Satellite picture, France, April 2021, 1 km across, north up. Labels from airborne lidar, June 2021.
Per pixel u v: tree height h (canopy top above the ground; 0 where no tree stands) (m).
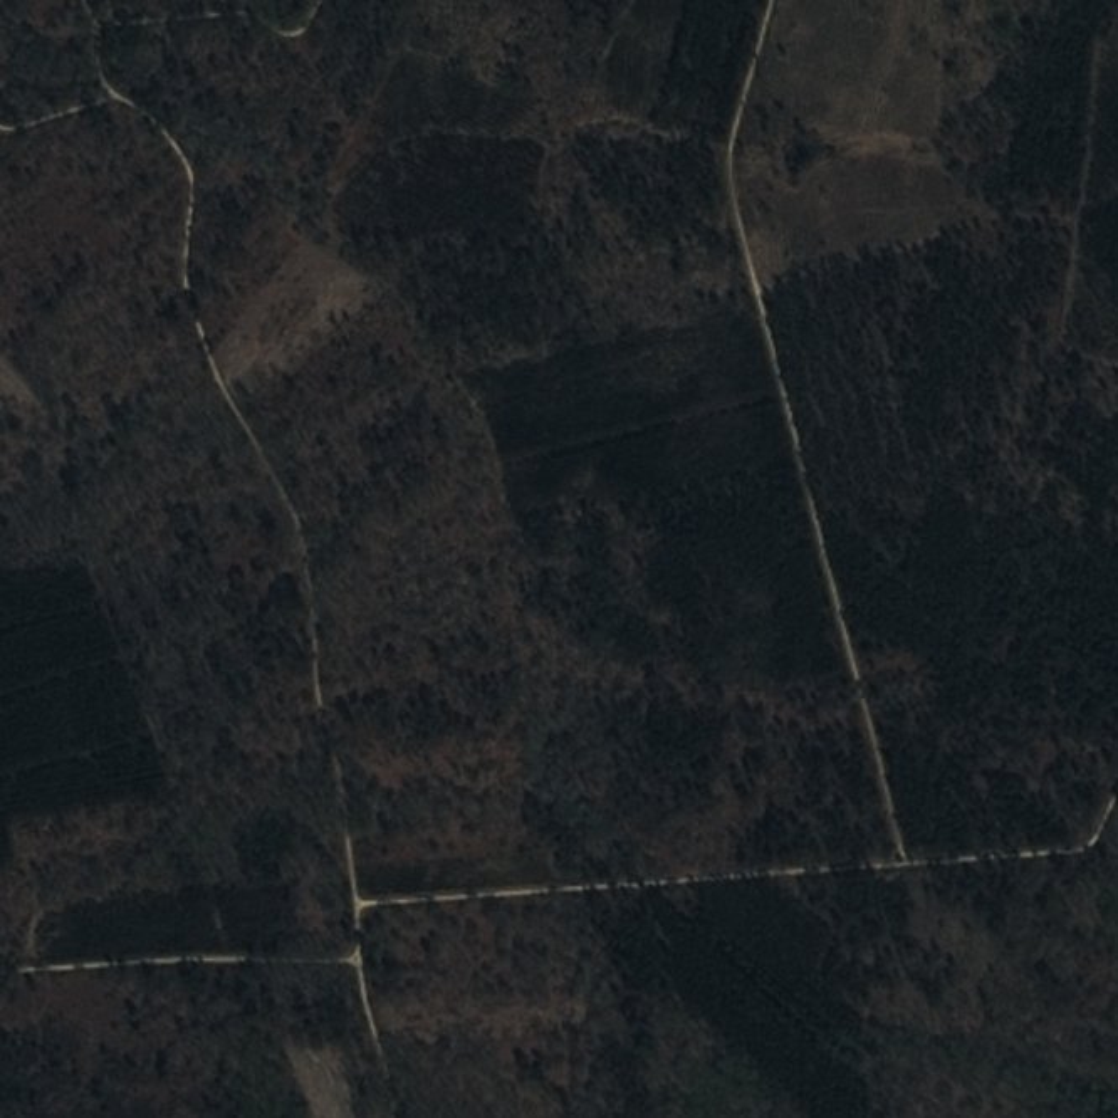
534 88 14
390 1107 18
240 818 19
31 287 7
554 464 9
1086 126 12
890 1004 12
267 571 15
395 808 21
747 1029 16
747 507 13
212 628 15
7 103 13
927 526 13
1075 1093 21
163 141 16
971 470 15
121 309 13
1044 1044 13
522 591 12
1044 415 10
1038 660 15
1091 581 15
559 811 10
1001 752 14
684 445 8
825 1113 16
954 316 15
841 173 0
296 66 12
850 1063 12
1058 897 17
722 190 18
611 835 11
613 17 13
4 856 14
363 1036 14
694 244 14
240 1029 17
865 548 16
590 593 17
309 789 15
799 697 12
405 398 9
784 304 14
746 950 13
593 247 17
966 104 10
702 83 15
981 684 14
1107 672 17
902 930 15
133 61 14
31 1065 7
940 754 16
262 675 20
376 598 14
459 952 13
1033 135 13
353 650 15
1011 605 15
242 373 0
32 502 14
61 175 10
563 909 9
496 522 12
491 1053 17
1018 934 8
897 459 17
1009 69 13
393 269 23
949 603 17
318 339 14
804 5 0
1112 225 10
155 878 16
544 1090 15
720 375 6
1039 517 13
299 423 11
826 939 15
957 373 15
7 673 14
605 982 9
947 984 16
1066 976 12
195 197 12
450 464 12
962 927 9
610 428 7
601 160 18
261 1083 15
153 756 14
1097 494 15
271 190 17
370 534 18
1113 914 22
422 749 9
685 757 15
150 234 17
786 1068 15
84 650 15
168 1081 16
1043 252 12
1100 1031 9
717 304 17
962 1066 12
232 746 22
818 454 15
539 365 6
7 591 14
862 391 15
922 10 0
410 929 13
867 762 15
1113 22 15
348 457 15
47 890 18
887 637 14
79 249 6
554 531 21
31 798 13
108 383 15
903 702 11
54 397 15
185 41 15
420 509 15
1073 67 13
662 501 13
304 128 18
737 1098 17
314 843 18
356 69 8
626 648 16
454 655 9
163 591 16
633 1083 17
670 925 16
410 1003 12
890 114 0
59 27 22
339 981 15
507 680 14
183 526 22
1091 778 11
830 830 14
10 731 16
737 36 15
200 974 12
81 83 14
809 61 0
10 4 12
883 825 16
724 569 14
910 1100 14
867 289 14
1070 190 16
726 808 12
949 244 14
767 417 8
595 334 14
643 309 13
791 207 0
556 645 9
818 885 16
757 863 9
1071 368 14
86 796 13
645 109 0
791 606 13
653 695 12
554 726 17
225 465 22
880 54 0
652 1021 14
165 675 12
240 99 10
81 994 0
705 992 16
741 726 14
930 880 11
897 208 0
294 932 9
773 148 8
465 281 16
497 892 0
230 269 6
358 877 0
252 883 18
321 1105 0
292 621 7
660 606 15
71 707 14
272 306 0
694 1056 13
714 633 17
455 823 8
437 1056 16
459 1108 19
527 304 14
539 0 21
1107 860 19
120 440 13
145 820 12
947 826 17
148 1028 9
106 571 10
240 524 20
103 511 14
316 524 17
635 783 11
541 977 18
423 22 13
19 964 14
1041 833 13
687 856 10
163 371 12
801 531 7
